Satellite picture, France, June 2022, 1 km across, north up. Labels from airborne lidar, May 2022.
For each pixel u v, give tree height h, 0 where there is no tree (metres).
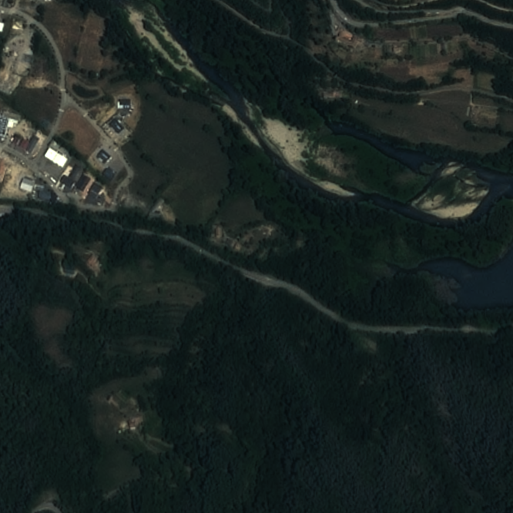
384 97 10
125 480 0
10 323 22
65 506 16
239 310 28
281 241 9
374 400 24
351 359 22
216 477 25
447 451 6
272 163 10
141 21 0
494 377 26
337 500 23
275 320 11
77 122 0
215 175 0
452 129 0
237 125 25
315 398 15
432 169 0
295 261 14
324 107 19
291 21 14
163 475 17
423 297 8
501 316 19
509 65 10
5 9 0
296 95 24
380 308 21
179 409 33
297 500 22
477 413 21
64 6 0
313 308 7
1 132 0
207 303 11
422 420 19
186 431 18
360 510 18
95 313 15
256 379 16
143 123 0
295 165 0
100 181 9
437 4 7
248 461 31
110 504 10
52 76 0
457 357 20
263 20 13
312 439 15
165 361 15
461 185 0
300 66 24
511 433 31
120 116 0
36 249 11
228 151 17
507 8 15
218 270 22
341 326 24
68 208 22
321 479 32
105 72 9
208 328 18
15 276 32
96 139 0
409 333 0
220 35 33
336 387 21
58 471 8
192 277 0
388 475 21
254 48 20
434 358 20
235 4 12
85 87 0
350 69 11
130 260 12
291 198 20
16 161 0
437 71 0
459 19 15
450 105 0
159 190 11
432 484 19
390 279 22
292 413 21
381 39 6
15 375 15
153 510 15
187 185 0
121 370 16
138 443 0
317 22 0
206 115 0
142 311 7
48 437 15
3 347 18
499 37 10
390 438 13
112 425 0
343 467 16
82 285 13
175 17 14
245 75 24
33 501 26
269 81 18
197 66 0
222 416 23
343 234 13
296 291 0
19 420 13
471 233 22
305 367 18
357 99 0
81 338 15
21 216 29
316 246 19
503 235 16
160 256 17
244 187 16
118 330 13
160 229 17
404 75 0
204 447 19
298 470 35
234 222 0
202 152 0
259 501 30
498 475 9
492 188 0
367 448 17
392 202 0
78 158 10
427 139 0
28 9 0
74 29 0
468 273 0
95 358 14
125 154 0
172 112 0
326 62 15
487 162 15
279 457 28
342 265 21
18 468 14
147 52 11
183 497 18
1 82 0
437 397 9
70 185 0
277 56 18
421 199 0
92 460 23
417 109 0
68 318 0
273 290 9
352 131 0
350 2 10
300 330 19
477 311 16
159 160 0
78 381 9
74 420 24
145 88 0
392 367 20
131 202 0
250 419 15
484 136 0
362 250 8
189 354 16
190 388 24
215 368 23
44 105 0
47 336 0
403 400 10
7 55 0
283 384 7
